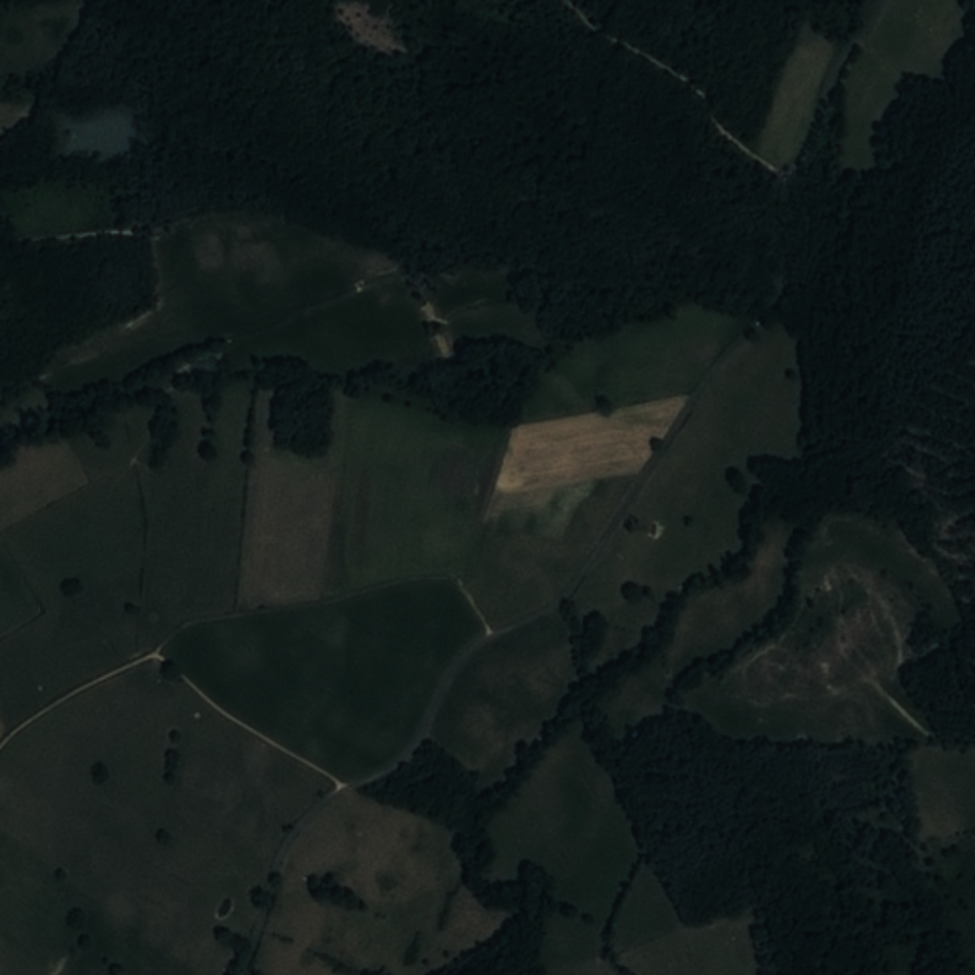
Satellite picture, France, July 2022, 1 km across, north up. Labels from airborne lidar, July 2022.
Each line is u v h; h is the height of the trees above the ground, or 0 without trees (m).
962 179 22
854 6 19
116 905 0
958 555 8
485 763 0
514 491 0
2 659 0
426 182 20
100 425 15
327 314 0
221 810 0
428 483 0
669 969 0
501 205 21
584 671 11
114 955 0
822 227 27
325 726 0
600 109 19
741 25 20
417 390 16
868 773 15
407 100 20
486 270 20
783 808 26
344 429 0
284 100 19
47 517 0
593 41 17
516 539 0
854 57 13
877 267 9
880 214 30
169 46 18
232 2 13
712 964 0
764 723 0
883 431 20
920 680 22
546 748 13
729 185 27
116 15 14
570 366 0
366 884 0
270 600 0
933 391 22
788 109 0
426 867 0
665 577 0
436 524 0
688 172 25
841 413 33
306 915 0
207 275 0
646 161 22
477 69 11
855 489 25
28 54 0
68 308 17
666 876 25
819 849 8
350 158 21
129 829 0
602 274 20
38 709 0
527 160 11
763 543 14
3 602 0
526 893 28
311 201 15
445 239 24
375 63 14
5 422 0
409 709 0
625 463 0
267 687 0
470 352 26
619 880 0
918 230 15
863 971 21
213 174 23
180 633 0
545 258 21
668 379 0
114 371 0
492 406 20
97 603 0
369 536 0
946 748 14
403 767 12
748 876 20
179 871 0
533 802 0
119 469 0
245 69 17
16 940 0
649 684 0
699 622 0
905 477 19
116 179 13
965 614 16
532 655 0
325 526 0
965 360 20
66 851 0
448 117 22
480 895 14
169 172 22
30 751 0
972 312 8
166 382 0
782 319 20
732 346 0
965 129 23
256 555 0
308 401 24
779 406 0
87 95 15
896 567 0
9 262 17
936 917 20
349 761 0
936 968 23
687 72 12
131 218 12
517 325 0
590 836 0
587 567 0
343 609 0
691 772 19
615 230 20
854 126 0
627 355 0
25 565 0
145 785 0
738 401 0
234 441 0
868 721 0
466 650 0
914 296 21
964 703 24
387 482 0
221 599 0
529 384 22
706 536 0
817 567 0
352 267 0
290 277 0
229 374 6
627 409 0
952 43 0
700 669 15
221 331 0
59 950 0
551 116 11
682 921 12
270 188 17
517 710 0
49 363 18
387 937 0
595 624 18
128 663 0
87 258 13
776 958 21
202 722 0
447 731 0
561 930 0
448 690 0
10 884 0
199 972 0
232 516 0
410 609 0
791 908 20
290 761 0
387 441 0
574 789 0
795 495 26
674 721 17
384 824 0
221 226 0
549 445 0
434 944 0
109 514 0
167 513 0
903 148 29
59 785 0
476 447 0
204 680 0
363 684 0
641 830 18
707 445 0
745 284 20
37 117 17
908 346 15
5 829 0
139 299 9
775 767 23
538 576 0
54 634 0
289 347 0
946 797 0
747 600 0
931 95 29
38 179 19
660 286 23
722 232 22
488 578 0
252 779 0
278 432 19
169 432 16
